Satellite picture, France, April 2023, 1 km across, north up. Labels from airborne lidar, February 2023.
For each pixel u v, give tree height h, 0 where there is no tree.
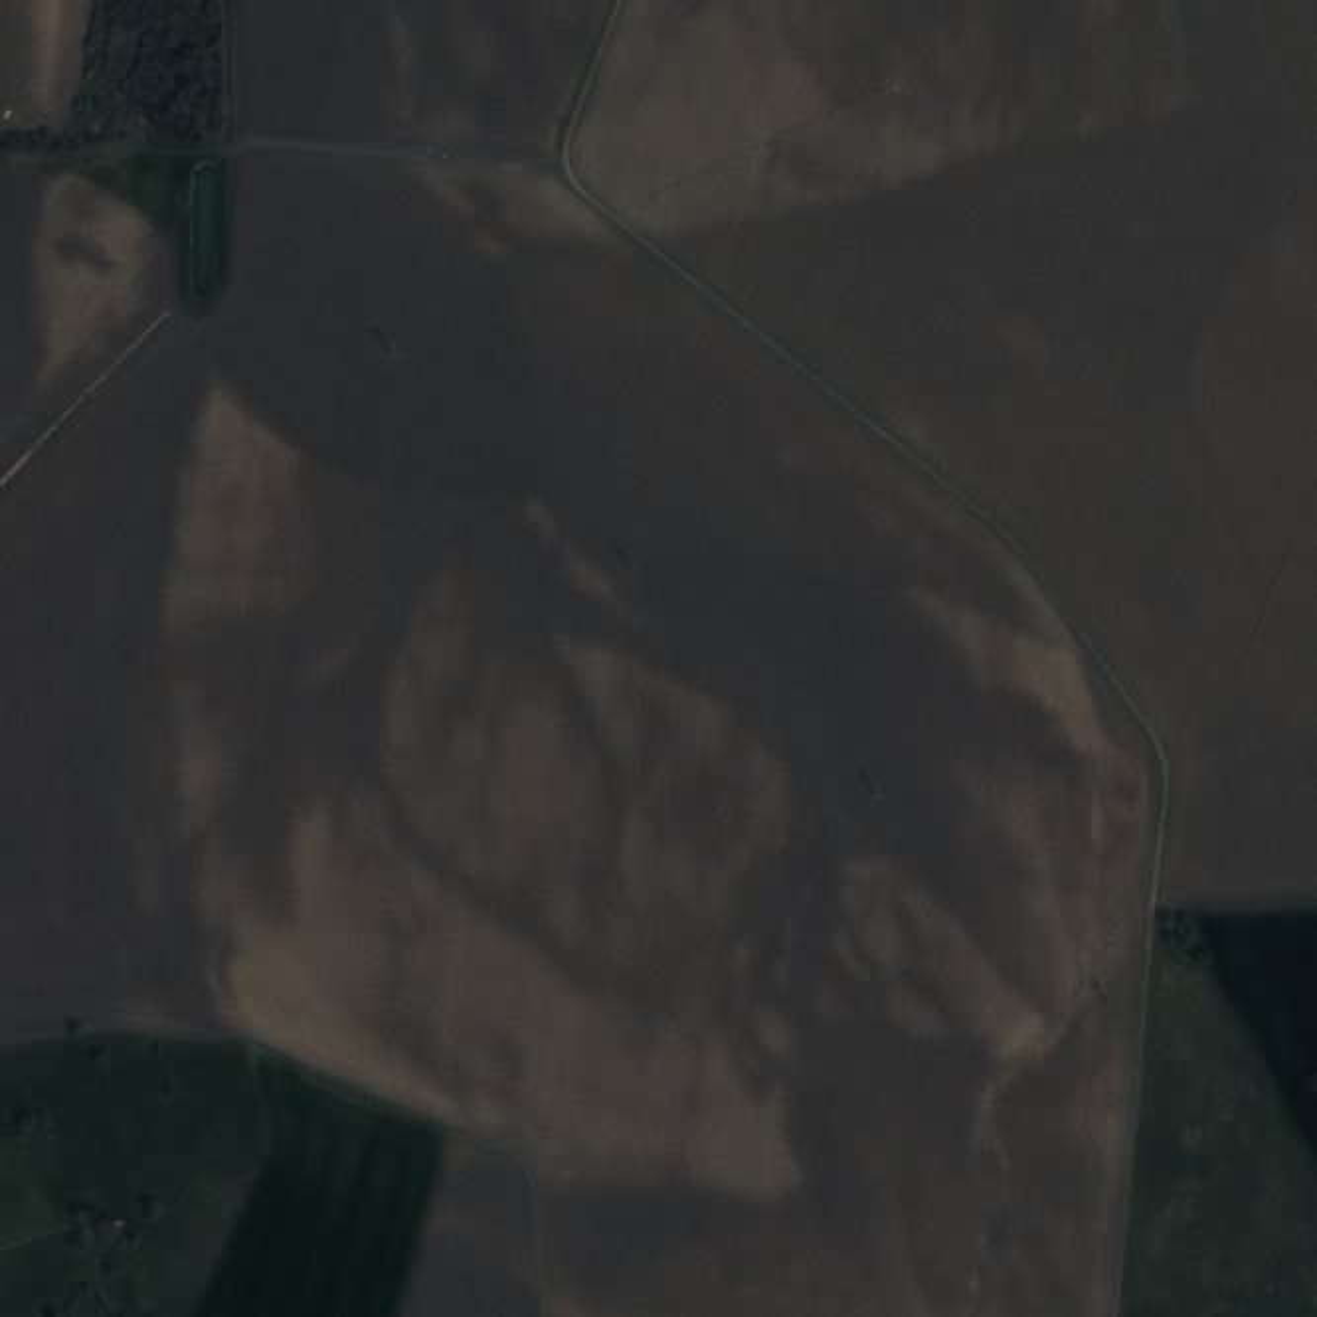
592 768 0
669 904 0
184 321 0
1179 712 0
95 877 0
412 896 0
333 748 0
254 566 0
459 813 0
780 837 0
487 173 0
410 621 0
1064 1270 0
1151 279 0
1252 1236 0
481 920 0
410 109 0
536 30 0
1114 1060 0
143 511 0
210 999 0
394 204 0
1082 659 0
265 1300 0
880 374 0
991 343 0
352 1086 0
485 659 0
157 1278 0
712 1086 0
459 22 0
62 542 0
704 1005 0
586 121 0
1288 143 0
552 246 0
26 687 0
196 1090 0
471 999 0
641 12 0
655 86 0
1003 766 0
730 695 0
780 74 0
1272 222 0
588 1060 0
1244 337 0
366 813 0
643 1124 0
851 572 0
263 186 0
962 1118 0
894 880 0
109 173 0
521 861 0
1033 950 0
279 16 0
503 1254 0
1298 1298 0
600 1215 0
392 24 0
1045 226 0
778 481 0
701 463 0
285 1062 0
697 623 0
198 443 0
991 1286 0
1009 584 0
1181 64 0
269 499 0
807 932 0
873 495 0
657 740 0
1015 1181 0
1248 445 0
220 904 0
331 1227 0
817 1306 0
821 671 0
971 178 0
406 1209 0
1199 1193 0
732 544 0
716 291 0
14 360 0
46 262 0
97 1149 0
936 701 0
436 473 0
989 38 0
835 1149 0
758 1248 0
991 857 0
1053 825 0
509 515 0
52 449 0
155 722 0
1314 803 0
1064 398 0
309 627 0
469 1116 0
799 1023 0
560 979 0
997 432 0
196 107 19
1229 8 0
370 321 0
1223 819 0
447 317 0
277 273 0
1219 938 0
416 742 0
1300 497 0
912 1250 0
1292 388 0
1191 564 0
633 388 0
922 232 0
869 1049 0
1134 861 0
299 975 0
